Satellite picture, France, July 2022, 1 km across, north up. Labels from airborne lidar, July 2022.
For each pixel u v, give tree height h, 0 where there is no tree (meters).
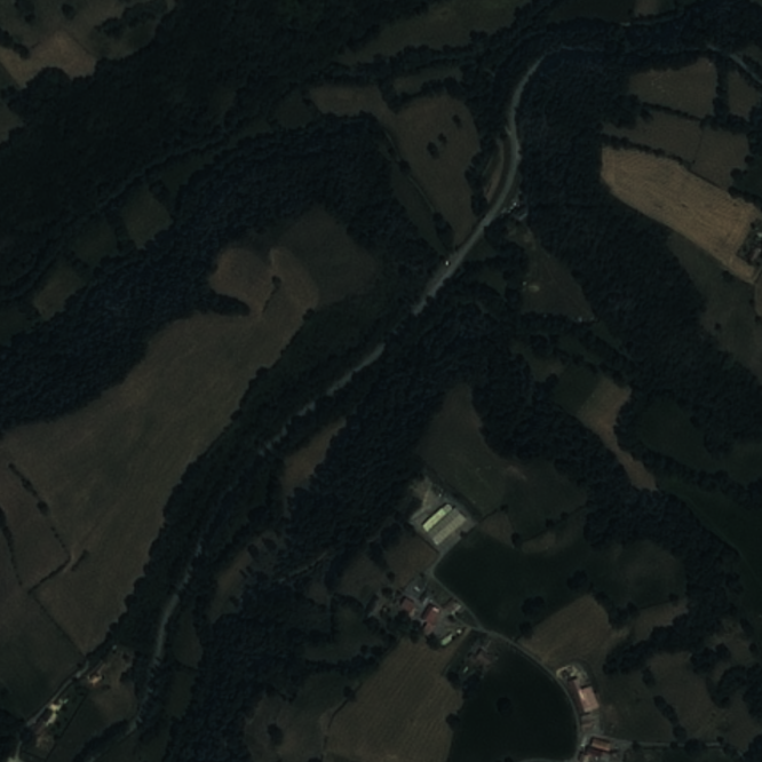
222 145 14
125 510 0
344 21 21
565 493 0
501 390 22
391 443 18
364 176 18
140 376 0
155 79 13
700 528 22
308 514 24
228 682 19
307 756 0
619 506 19
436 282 0
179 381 0
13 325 0
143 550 0
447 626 0
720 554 14
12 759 8
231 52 15
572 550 0
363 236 17
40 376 17
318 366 10
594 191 9
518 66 25
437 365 22
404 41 0
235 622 13
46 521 0
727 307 0
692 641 19
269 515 16
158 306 20
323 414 22
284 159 20
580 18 0
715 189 0
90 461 0
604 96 19
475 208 12
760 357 0
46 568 0
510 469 0
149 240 0
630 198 0
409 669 0
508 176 0
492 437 23
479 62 13
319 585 0
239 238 18
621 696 0
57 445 0
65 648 0
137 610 13
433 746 0
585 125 10
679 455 0
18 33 0
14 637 0
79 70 0
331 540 13
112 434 0
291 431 19
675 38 35
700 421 20
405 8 14
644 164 0
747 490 14
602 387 0
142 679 18
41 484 0
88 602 0
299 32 12
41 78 15
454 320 22
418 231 9
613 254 9
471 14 0
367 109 0
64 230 18
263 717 0
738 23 21
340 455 18
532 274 0
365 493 10
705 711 0
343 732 0
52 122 16
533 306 0
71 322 21
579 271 10
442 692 0
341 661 0
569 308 0
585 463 13
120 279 15
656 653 9
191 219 10
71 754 0
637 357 18
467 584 0
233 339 0
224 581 0
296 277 0
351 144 17
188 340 0
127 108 15
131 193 19
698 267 0
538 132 8
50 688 0
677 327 11
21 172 13
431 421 16
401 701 0
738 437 16
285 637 24
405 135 0
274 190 19
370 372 19
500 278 0
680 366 10
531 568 0
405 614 13
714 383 15
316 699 0
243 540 18
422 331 23
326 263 0
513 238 0
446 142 15
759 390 9
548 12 19
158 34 11
